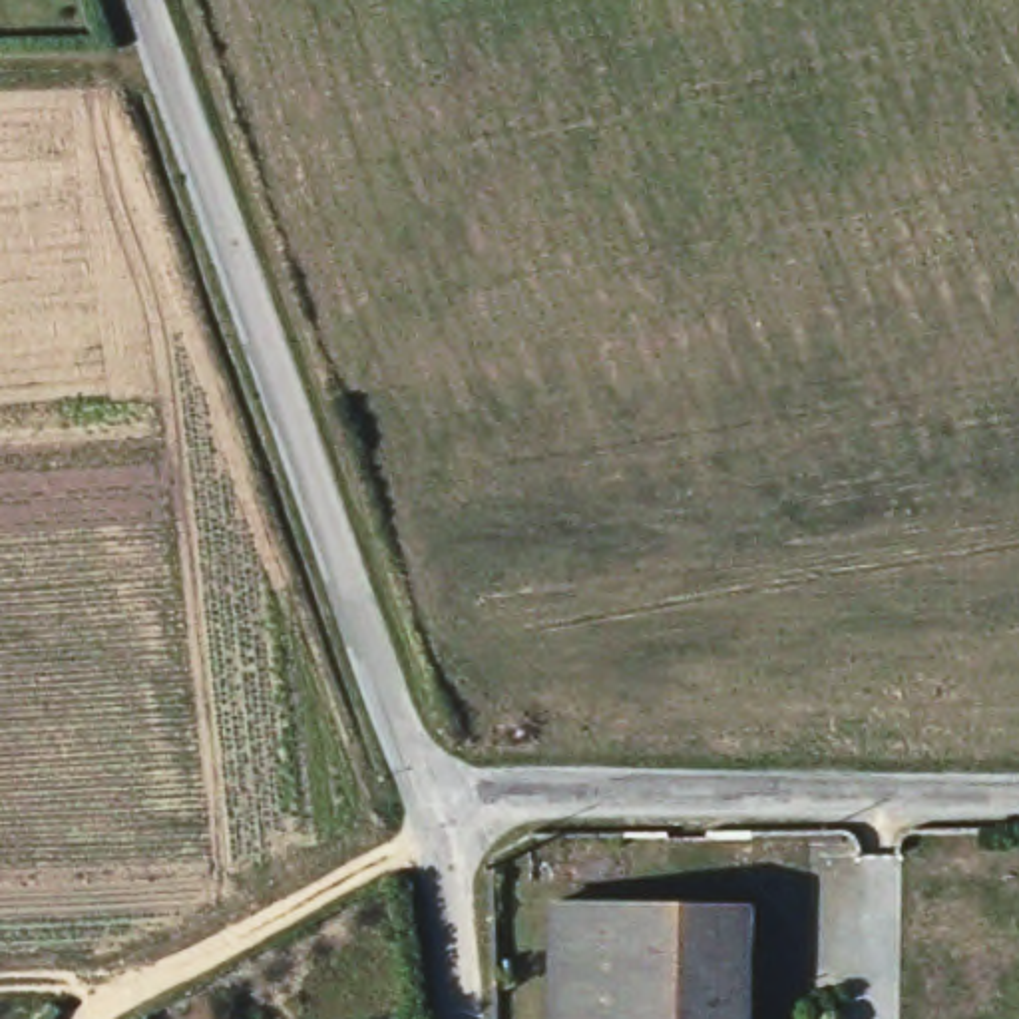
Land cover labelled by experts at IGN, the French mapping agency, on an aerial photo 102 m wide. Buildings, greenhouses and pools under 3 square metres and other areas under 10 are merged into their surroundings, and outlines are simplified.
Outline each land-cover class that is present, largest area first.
<instances>
[{"label":"agricultural land","instance_id":"1","mask_svg":"<svg viewBox=\"0 0 1019 1019\"><path fill-rule=\"evenodd\" d=\"M259 143L275 171V195L291 223L295 255L310 279L318 322L326 326L330 354L338 358V370L350 390L366 394V406L378 422V466L390 486L402 553L410 561L418 605L426 613L442 665L462 701L470 705L478 728L498 716H525L529 709H541L545 732L569 744L573 764L1019 772V0H211ZM402 824V792L366 713L346 724L310 613L299 589L291 585V565L255 490L247 442L227 398V382L211 358L191 287L179 267L175 239L167 231L147 171L143 143L123 111V100L111 88L0 92V967H147L163 955L187 951L219 935L223 927L271 908L275 900L322 880L346 860L394 840Z\"/></svg>","mask_w":1019,"mask_h":1019},{"label":"herbaceous vegetation","instance_id":"2","mask_svg":"<svg viewBox=\"0 0 1019 1019\"><path fill-rule=\"evenodd\" d=\"M76 0H0V92L111 88L123 100V111L143 143L147 171L167 231L175 239L179 267L191 287L211 358L227 382V398L247 442L255 490L291 565V585L299 589L310 613L346 724L366 713L358 681L346 661L334 601L318 573L310 537L303 529L295 494L275 450L259 386L247 366V350L235 334L231 306L223 299L207 243L199 235L187 179L175 163L171 139L147 92L135 52V28L123 0H100L111 36L107 48H52V40L80 32L56 28L60 8ZM183 44L191 84L199 92L215 151L235 191L251 251L259 259L374 605L382 613L386 637L394 645L422 728L442 752L474 768L573 764L569 744L545 732L541 709H529L525 716H498L478 728V740L450 736V713L434 689V669L442 665L426 613L418 605L410 561L402 553L390 557L386 549L370 490L354 458V442L334 406L350 390L338 370V358L330 354L326 326L318 322L310 279L295 255L291 223L275 195V171L259 143L211 0H163ZM752 816H705L693 824L529 820L502 832L474 872V931L482 963V991L470 995L474 1019H549V991L541 979L549 943V900L752 904V1019H792V1007L816 983L820 884L812 876L808 832H748ZM900 1019H1019V848L987 852L979 848V836H904ZM350 923H326L322 931L295 943V951L279 947L271 935L215 963L211 971L167 987L151 1003L123 1011L119 1019H215L211 999L223 987L239 983H247L259 1003H271L275 1019H299V991L310 975V951L326 939L342 943Z\"/></svg>","mask_w":1019,"mask_h":1019},{"label":"impervious surface","instance_id":"3","mask_svg":"<svg viewBox=\"0 0 1019 1019\"><path fill-rule=\"evenodd\" d=\"M135 28V52L147 92L171 139L175 163L187 179L199 235L207 243L223 299L231 306L235 334L247 350V366L259 386L275 450L295 494L303 529L310 537L318 573L334 601L346 661L358 681L366 713L402 792V824L418 836L422 856L414 860V868L390 872L406 892L410 908V935L418 943L414 983L426 1019H474L470 995L482 991V963L474 931V872L502 832L529 820L693 824L705 816H752L748 832H808L812 876L820 884L816 983L832 987L844 979H864L872 1019H900L904 836H979L983 820L1019 816V772L573 764L474 768L442 752L422 728L394 645L386 637L382 613L374 605L259 259L251 251L235 191L215 151L199 92L191 84L183 44L163 0H123Z\"/></svg>","mask_w":1019,"mask_h":1019},{"label":"brushwood","instance_id":"4","mask_svg":"<svg viewBox=\"0 0 1019 1019\"><path fill-rule=\"evenodd\" d=\"M56 28L80 32L52 40V48H107L111 36L100 0H76L60 8ZM334 406L354 442V458L370 490L386 549L390 557L402 553L390 486L378 466V422L366 406V394L350 390ZM434 689L450 713V736L478 740V728L470 705L462 701L442 665L434 669ZM979 848L987 852L1019 848V816L983 820L979 836ZM350 923L342 943L326 939L310 951V975L299 991V1019H426L414 983L418 943L410 935V908L406 892L390 872L271 935L279 947L295 951V943L322 931L326 923ZM215 1019H275L271 1003H259L247 983H239L223 987L211 999ZM60 995H0V1019H52Z\"/></svg>","mask_w":1019,"mask_h":1019},{"label":"building","instance_id":"5","mask_svg":"<svg viewBox=\"0 0 1019 1019\"><path fill-rule=\"evenodd\" d=\"M549 943L541 979L549 991V1019H752V904L549 900Z\"/></svg>","mask_w":1019,"mask_h":1019},{"label":"pervious surface","instance_id":"6","mask_svg":"<svg viewBox=\"0 0 1019 1019\"><path fill-rule=\"evenodd\" d=\"M422 856L418 836L402 824L394 840L346 860L322 880L275 900L271 908L223 927L219 935L187 951L163 955L147 967H0V995H60L52 1019H119L123 1011L151 1003L167 987L211 971L215 963L271 935L390 872L414 868V860Z\"/></svg>","mask_w":1019,"mask_h":1019},{"label":"deciduous trees","instance_id":"7","mask_svg":"<svg viewBox=\"0 0 1019 1019\"><path fill-rule=\"evenodd\" d=\"M792 1019H872L864 979H844L832 987L816 983L792 1007Z\"/></svg>","mask_w":1019,"mask_h":1019}]
</instances>
